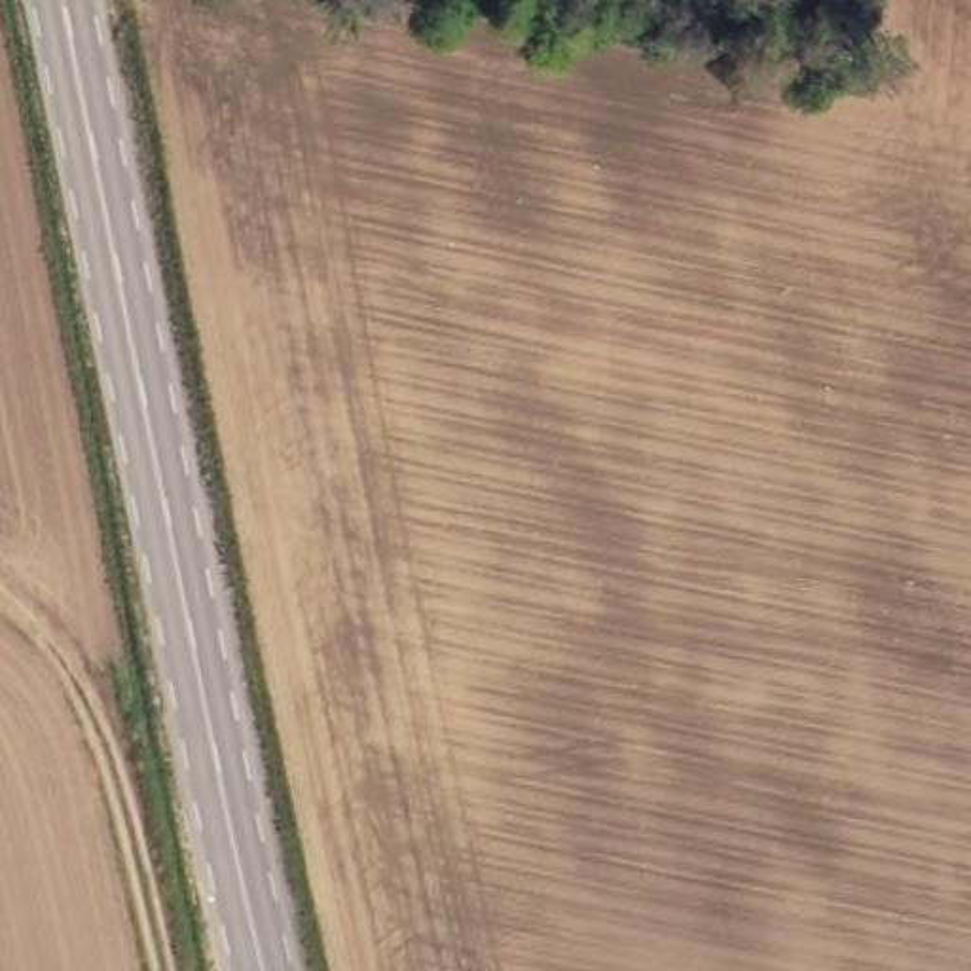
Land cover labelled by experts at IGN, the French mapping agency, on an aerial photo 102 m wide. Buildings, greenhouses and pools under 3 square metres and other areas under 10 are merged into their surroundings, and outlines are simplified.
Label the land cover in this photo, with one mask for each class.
<instances>
[{"label":"agricultural land","instance_id":"1","mask_svg":"<svg viewBox=\"0 0 971 971\"><path fill-rule=\"evenodd\" d=\"M880 30L907 42L910 76H903L895 87H880L876 95H838L823 110L789 106L781 118H766L762 99H743L736 106L728 99V87L698 61L687 68H649L637 46L584 53L565 76H539L520 57H486L467 42L455 53H436L417 38L410 34V27L402 30L387 19H360V30L349 34L334 27L326 11L311 0H133L152 87L174 72L182 87L197 91L205 110L212 171L201 174L190 167L171 182L182 269L201 338V364L224 451L235 535L247 565L266 683L273 698L284 774L292 789L296 827L303 842L311 899L330 971H971V0H880ZM125 649L114 618V599L106 588L95 497L80 444L76 402L64 372L49 273L42 262L27 144L11 91L8 49L0 34V971H137L95 789L76 747L72 721L61 705V694L72 690V683H95L102 702L110 705L106 660H118Z\"/></svg>","mask_w":971,"mask_h":971},{"label":"impervious surface","instance_id":"2","mask_svg":"<svg viewBox=\"0 0 971 971\"><path fill-rule=\"evenodd\" d=\"M34 68L42 83L46 129L57 163V186L64 201L68 243L76 258V288L91 330V353L102 387L118 486L129 516V546L148 622L144 645L152 649L148 679L159 709V740L171 751L174 815L182 831L186 872L201 903L209 971H307L296 937V903L284 884L281 842L273 831L254 713L247 702L231 592L216 554L212 504L197 467L190 402L182 387L178 349L171 338L156 231L144 201V174L137 163L129 91L110 38V0H23Z\"/></svg>","mask_w":971,"mask_h":971},{"label":"herbaceous vegetation","instance_id":"3","mask_svg":"<svg viewBox=\"0 0 971 971\"><path fill-rule=\"evenodd\" d=\"M0 34L8 49L11 91L27 144L42 262L49 273L64 372L76 402L80 444L95 497L106 588L114 599V618L125 649L118 660H106L110 705L137 785L178 971H209L201 903L186 872L182 831L174 815L171 751L159 740V709L148 679L152 649L144 645L148 622L129 546V516L118 486L102 387L91 353V330L76 288V258L68 243L64 201L57 186V163L46 129L42 83L34 68L23 0H0ZM110 38L129 91L137 163L144 174V201L156 231L171 338L178 349L182 387L190 402L197 467L212 504L216 554L231 592L247 702L254 713L273 831L281 842L284 884L296 903V937L307 971H330L311 899L303 842L296 827L292 789L284 774L273 698L266 683L247 565L235 535L224 451L201 364V338L182 269L171 182L152 87L133 0H110Z\"/></svg>","mask_w":971,"mask_h":971},{"label":"coniferous trees","instance_id":"4","mask_svg":"<svg viewBox=\"0 0 971 971\"><path fill-rule=\"evenodd\" d=\"M326 11L334 27L349 34L360 30V19H387L402 30L410 27V34L417 38L444 19L448 0H311ZM478 19L467 42L486 57H520L523 42H501L497 34L516 0H474ZM618 15H637L645 23L637 46L649 68H687L698 61L728 87V99L736 106L743 99H762L766 118H781L789 106L823 110L838 95H876L880 87H895L903 76H910L907 42L880 30V0H622ZM171 182L190 167L201 174L212 171L205 110L197 91L182 87L174 72L152 87Z\"/></svg>","mask_w":971,"mask_h":971},{"label":"pervious surface","instance_id":"5","mask_svg":"<svg viewBox=\"0 0 971 971\"><path fill-rule=\"evenodd\" d=\"M61 705L72 721L76 747L95 789L137 971H178L137 785L110 705L102 702L95 683H72V690L61 694Z\"/></svg>","mask_w":971,"mask_h":971},{"label":"deciduous trees","instance_id":"6","mask_svg":"<svg viewBox=\"0 0 971 971\"><path fill-rule=\"evenodd\" d=\"M478 19L474 0H448L444 19L417 38L436 53H455L467 42ZM622 0H516L497 34L501 42H523L520 57L539 76H565L584 53L637 46L645 23L637 15H618Z\"/></svg>","mask_w":971,"mask_h":971}]
</instances>
